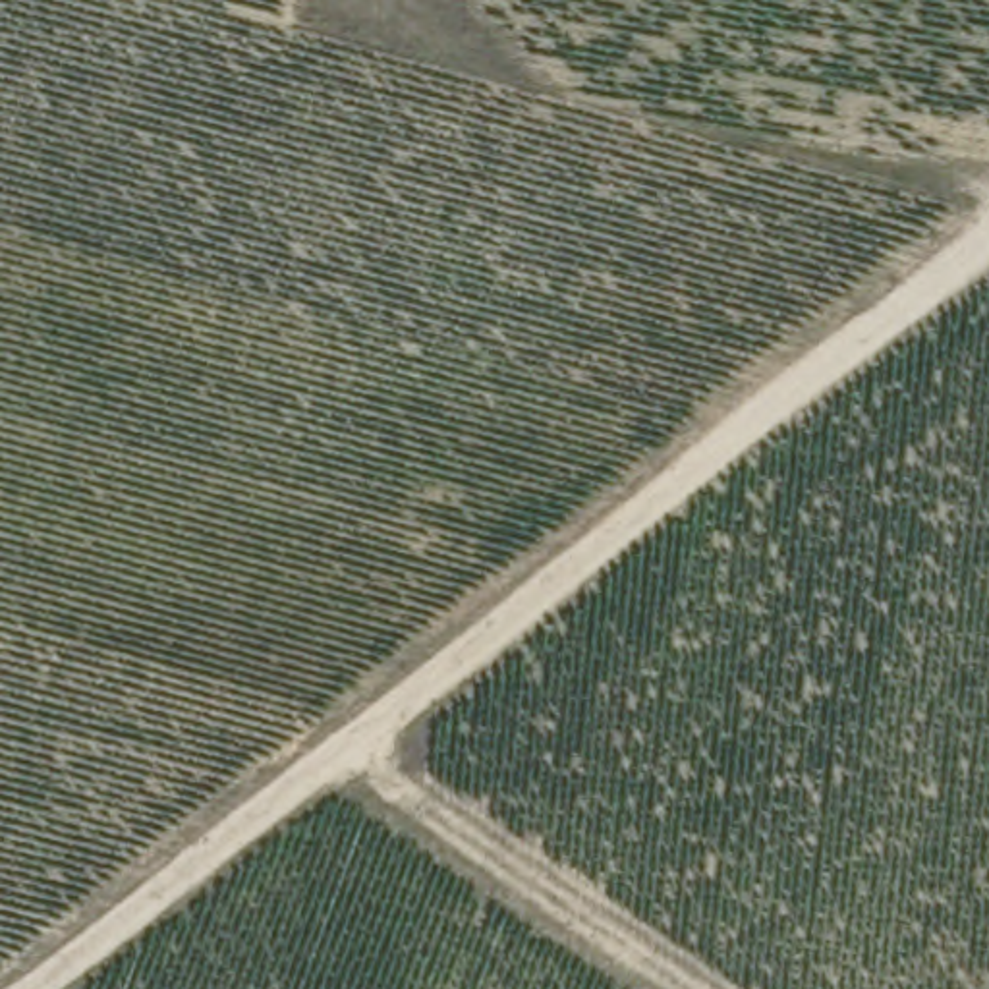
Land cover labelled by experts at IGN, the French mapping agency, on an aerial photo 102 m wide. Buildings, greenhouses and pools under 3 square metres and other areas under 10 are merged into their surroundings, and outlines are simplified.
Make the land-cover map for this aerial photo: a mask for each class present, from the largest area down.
<instances>
[{"label":"vineyard","instance_id":"1","mask_svg":"<svg viewBox=\"0 0 989 989\"><path fill-rule=\"evenodd\" d=\"M989 185V0H0V989H27L23 981L39 962L70 947L139 885H147L158 869H166L185 846L205 838L236 804L263 792L274 777L294 769L309 749H317L328 734L348 726L390 688H398L413 668L433 661L448 641L471 630L498 603H506L549 560L572 549L579 537H587L622 502H630L680 452H688L722 417H730L749 394L769 386L784 367L800 363L831 332L846 328L854 317L885 301L900 282L919 274L947 243H954L970 228L977 197ZM429 773L437 780H444L460 796H483L487 811L514 834H537L549 858L579 869L587 881L603 885L610 900L645 919L657 935H668L676 947L699 954L711 970H719L730 981L726 989H989V274H981L958 297H950L916 328L896 336L877 359H869L862 371H854L834 390L815 398L800 417L746 448L722 475L699 487L684 502V510L657 522L641 541L618 552V560H610L591 583H583L568 603L549 610L525 637H518L502 657H495L487 668L464 680L452 695L437 699L425 715ZM73 989H618L599 966L583 962L564 943L537 935L502 900L479 896L467 877H456L448 865L433 862V854L421 850L413 838L390 834L382 819H371L363 804L348 800L336 788L301 804L294 815H286L278 827H270L263 838L240 850L224 869H216L201 889H193L185 900H178L170 912L147 923L135 939H127L116 954L89 970Z\"/></svg>","mask_w":989,"mask_h":989},{"label":"pervious surface","instance_id":"2","mask_svg":"<svg viewBox=\"0 0 989 989\"><path fill-rule=\"evenodd\" d=\"M981 274H989V185L977 197L970 228L954 243H947L919 274L900 282L885 301L854 317L846 328L831 332L800 363L784 367L769 386L749 394L730 417H722L688 452H680L630 502H622L587 537H579L572 549L549 560L506 603H498L471 630L448 641L433 661L413 668L398 688H390L348 726L328 734L317 749H309L294 769L274 777L263 792L236 804L205 838L185 846L166 869H158L147 885H139L70 947L39 962L23 981L27 989H73L89 970L116 954L127 939H135L147 923L170 912L178 900H185L193 889H201L216 869H224L240 850L263 838L270 827H278L286 815H294L301 804L336 788L348 777L363 773L382 800L410 807L425 788H417L398 769L394 742L417 715H425L437 699L452 695L464 680L487 668L495 657H502L518 637H525L549 610L568 603L583 583H591L610 560H618V552L641 541L657 522L684 510V502L699 487L722 475L746 448L800 417L815 398L834 390L854 371H862L869 359H877L896 336L916 328L950 297H958Z\"/></svg>","mask_w":989,"mask_h":989},{"label":"herbaceous vegetation","instance_id":"3","mask_svg":"<svg viewBox=\"0 0 989 989\"><path fill-rule=\"evenodd\" d=\"M398 769L417 788H425L410 807L382 800L363 773L348 777L336 788L348 800L363 804L371 819H382L390 834L413 838L421 850L433 854V862L448 865L456 877H467L479 896L502 900L537 935L564 943L583 962L599 966L618 989H726L730 981L719 970H711L699 954L676 947L668 935H657L645 919L610 900L603 885L587 881L579 869L549 858L537 834H514L487 811L483 796H460L444 780H437L429 773L425 715H417L394 742Z\"/></svg>","mask_w":989,"mask_h":989}]
</instances>
